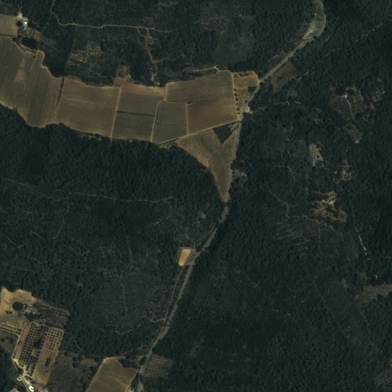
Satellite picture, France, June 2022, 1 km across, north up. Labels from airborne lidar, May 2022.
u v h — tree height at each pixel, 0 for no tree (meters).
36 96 0
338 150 18
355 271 21
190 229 7
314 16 15
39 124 0
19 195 7
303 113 13
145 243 9
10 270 12
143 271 6
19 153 17
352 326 7
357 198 16
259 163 15
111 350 20
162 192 10
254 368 6
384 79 16
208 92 0
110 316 8
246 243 17
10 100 0
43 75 0
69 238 7
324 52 15
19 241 8
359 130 16
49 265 15
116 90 0
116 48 10
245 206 17
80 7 9
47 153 9
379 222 7
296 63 16
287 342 10
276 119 11
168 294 7
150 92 0
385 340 11
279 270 9
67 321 7
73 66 8
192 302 7
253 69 16
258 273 9
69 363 0
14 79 0
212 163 0
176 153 18
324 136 15
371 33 13
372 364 9
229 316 8
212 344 7
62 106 0
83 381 9
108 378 0
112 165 13
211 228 7
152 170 19
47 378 0
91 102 0
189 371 20
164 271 15
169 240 10
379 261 19
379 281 12
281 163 6
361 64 18
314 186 6
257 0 18
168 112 0
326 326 18
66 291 23
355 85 8
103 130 0
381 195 13
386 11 16
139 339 13
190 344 6
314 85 13
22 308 9
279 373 19
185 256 0
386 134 16
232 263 10
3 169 9
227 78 0
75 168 20
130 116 0
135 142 10
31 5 16
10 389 6
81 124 0
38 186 12
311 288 9
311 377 12
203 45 12
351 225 19
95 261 19
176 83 0
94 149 15
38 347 8
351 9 13
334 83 21
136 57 10
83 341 17
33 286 17
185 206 18
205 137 0
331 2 9
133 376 0
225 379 7
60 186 5
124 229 12
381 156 15
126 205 7
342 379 20
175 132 0
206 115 0
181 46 20
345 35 12
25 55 0
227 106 0
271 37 15
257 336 6
